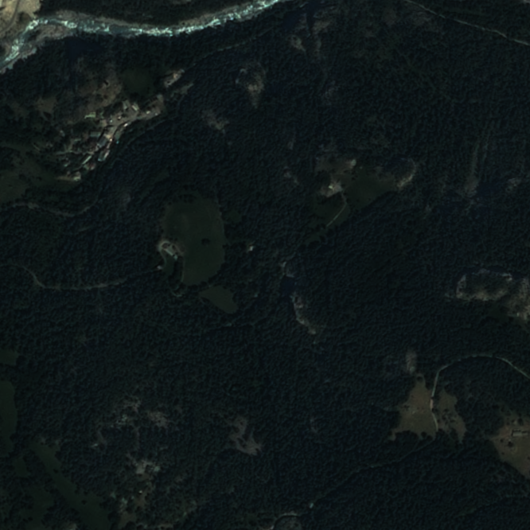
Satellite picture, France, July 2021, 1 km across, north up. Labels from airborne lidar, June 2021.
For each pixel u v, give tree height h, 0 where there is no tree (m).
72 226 12
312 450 21
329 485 25
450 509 26
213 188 18
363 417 18
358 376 13
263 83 7
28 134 8
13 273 13
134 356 19
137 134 10
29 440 18
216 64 21
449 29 26
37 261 20
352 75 26
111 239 17
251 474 22
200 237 0
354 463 20
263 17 10
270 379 23
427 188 7
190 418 10
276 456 16
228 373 17
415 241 13
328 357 14
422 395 0
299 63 18
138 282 15
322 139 8
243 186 18
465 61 23
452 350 19
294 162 13
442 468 25
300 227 10
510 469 27
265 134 15
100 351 22
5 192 0
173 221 0
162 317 21
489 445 10
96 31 0
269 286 22
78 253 18
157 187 13
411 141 20
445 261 22
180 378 23
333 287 23
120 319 15
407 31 17
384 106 23
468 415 16
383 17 6
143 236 7
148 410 13
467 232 22
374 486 23
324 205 10
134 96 15
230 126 12
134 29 0
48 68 11
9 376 17
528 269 29
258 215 15
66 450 16
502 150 11
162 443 17
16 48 0
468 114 22
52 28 0
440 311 27
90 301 12
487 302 10
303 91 23
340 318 17
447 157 27
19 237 23
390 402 6
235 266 16
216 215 0
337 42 9
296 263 9
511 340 13
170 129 23
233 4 10
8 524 13
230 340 24
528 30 10
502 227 22
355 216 7
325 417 17
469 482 21
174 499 14
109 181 18
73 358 19
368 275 15
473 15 7
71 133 10
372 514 24
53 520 17
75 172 6
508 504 16
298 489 14
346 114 22
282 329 15
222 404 22
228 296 0
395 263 15
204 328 19
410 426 0
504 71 31
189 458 19
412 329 22
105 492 7
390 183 0
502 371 21
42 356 24
